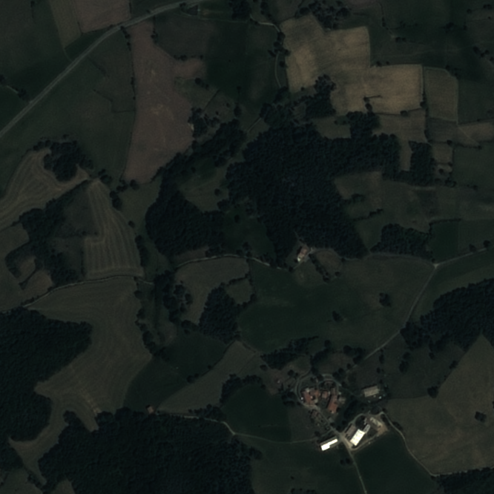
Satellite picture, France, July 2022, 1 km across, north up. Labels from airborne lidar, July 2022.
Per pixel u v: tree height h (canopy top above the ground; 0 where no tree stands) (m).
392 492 0
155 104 0
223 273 0
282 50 13
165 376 0
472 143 0
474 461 0
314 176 16
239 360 0
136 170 0
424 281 0
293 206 21
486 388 0
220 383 0
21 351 20
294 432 0
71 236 0
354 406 16
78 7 0
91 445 21
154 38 12
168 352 0
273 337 0
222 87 0
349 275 0
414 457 0
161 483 16
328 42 0
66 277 7
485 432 0
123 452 18
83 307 0
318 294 0
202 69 0
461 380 0
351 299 0
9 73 0
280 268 15
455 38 0
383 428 0
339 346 0
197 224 21
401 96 0
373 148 15
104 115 0
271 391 0
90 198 0
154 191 0
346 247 25
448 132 0
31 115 0
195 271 0
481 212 0
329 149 17
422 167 12
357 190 0
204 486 15
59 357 13
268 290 0
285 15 0
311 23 0
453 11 0
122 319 0
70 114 0
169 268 0
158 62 0
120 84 0
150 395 0
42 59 0
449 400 0
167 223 18
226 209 17
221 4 0
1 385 15
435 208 0
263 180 18
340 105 0
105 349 0
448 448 0
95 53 0
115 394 0
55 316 0
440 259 0
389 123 0
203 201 0
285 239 16
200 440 8
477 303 19
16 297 0
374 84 0
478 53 10
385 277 0
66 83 0
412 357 13
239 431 0
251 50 0
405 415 0
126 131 0
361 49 0
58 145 9
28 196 0
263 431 0
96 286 0
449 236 0
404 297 0
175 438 8
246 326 0
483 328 16
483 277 0
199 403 0
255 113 0
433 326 14
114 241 0
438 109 0
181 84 0
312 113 11
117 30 0
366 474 0
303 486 0
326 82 10
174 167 19
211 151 19
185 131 0
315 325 0
